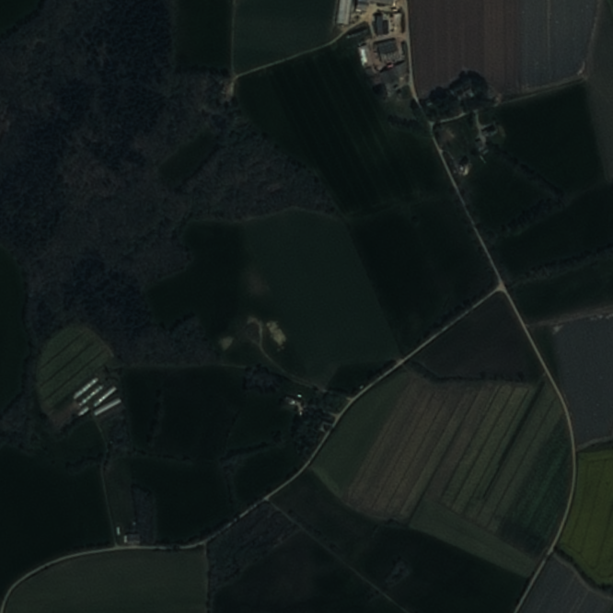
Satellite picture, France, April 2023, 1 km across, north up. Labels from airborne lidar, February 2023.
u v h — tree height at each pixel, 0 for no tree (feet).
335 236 0
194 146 0
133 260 60
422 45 0
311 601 0
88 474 0
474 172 0
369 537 0
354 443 0
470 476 0
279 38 0
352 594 0
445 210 0
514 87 0
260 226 0
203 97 54
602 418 0
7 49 48
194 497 0
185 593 0
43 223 51
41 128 61
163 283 0
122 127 45
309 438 34
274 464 0
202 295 0
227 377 0
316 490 0
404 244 0
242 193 32
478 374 0
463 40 0
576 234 0
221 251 0
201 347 48
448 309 0
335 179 0
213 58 0
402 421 0
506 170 0
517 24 0
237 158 44
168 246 51
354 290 0
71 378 0
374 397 0
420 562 0
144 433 0
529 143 0
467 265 0
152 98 66
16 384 0
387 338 0
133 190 28
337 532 0
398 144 0
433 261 0
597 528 0
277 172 31
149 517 51
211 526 0
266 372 36
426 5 0
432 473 0
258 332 0
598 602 0
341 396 28
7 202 68
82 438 0
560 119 0
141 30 58
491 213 0
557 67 0
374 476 0
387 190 0
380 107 0
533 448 0
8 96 37
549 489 0
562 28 0
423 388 0
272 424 0
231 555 22
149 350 33
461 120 0
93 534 0
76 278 49
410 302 0
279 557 0
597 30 0
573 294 0
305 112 0
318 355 0
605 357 0
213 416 0
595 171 0
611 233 0
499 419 0
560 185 0
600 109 0
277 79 0
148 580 0
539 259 0
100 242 52
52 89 58
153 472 0
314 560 0
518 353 0
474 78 39
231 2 0
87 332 0
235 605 0
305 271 0
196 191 35
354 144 0
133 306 54
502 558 0
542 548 0
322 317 0
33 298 37
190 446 0
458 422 0
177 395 0
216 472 0
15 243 52
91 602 0
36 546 0
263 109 0
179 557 0
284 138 0
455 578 0
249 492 0
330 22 0
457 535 0
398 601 0
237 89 0
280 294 0
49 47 34
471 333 0
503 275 54
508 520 0
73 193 32
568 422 0
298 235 0
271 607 0
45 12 49
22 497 0
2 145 43
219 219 40
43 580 0
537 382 0
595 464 0
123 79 43
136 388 0
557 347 0
